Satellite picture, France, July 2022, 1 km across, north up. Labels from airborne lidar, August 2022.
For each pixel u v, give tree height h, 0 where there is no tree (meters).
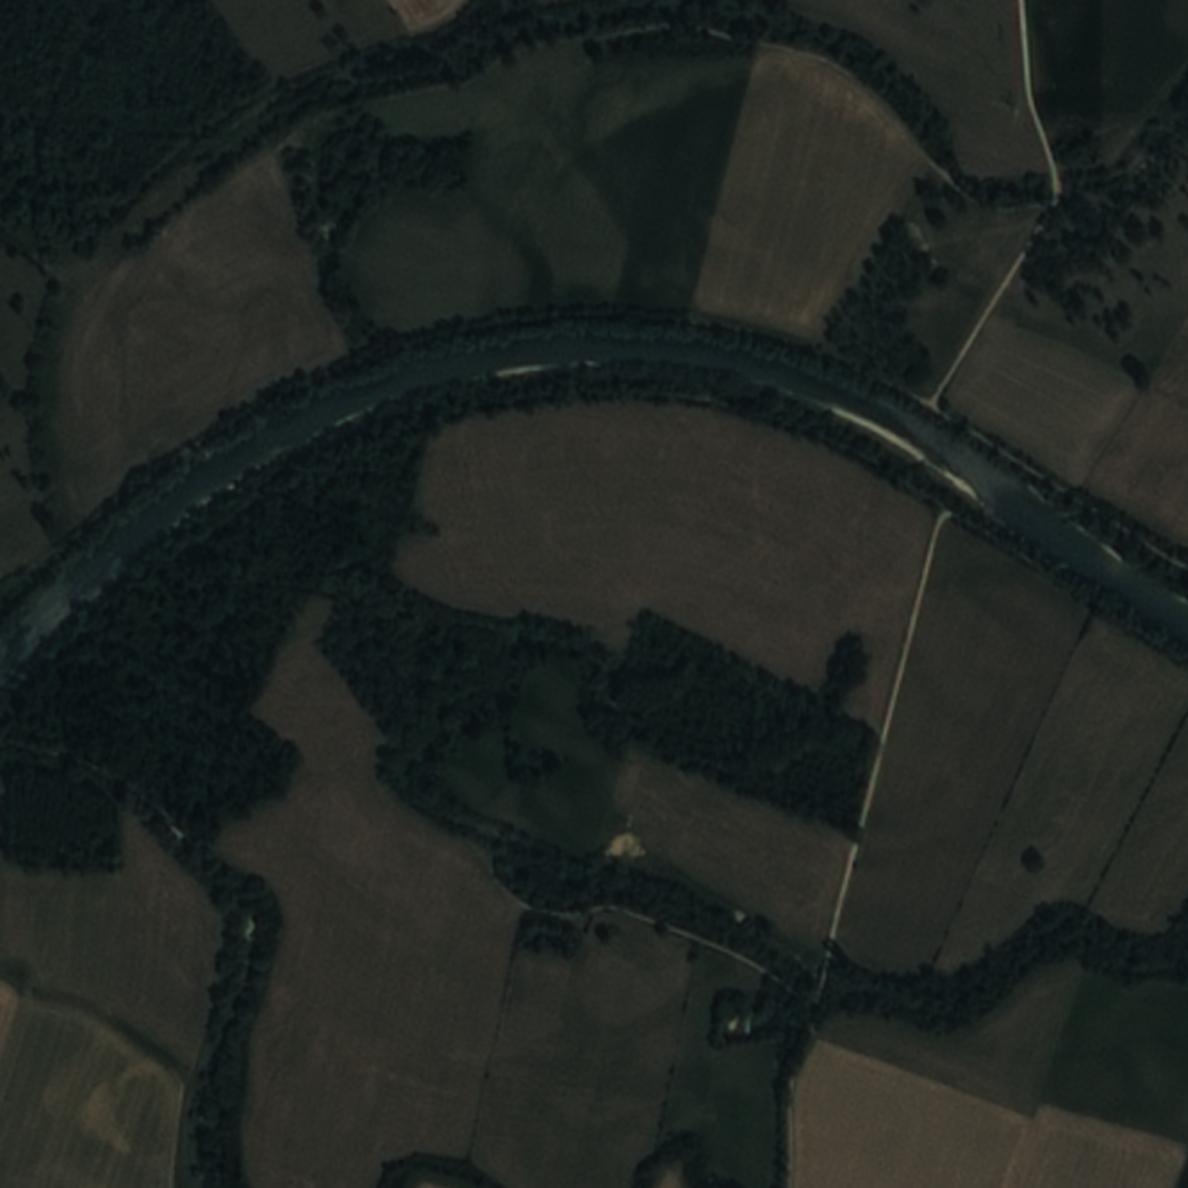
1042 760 0
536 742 0
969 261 0
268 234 0
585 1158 0
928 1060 0
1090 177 7
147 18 18
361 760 0
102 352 0
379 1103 0
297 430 0
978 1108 0
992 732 0
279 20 0
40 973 0
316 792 0
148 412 0
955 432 18
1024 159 0
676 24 27
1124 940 15
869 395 14
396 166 16
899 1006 7
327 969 0
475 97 0
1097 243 21
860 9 0
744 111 0
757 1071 0
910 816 0
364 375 19
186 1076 0
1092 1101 0
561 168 0
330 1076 0
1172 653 16
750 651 0
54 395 0
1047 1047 0
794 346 12
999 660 0
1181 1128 0
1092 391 0
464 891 0
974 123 0
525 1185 0
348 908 0
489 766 0
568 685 0
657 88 0
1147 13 0
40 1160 0
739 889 0
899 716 0
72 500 0
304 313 0
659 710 12
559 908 7
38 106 6
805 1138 0
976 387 0
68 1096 0
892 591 0
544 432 0
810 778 6
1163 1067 0
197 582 16
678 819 0
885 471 10
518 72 0
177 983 0
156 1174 0
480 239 0
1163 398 0
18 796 23
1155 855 0
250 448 0
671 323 15
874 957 0
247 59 8
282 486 13
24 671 16
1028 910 0
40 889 0
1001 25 0
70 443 0
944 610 0
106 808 21
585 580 0
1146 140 7
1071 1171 0
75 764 20
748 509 0
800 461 0
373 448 21
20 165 16
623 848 0
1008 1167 0
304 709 0
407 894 0
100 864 13
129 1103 0
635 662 8
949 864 0
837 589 0
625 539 0
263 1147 0
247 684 30
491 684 6
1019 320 0
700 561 0
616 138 0
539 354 0
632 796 0
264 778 27
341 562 19
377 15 0
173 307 0
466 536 0
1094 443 0
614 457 0
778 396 17
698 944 10
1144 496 0
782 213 0
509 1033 0
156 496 11
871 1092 0
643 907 14
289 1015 0
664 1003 0
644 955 0
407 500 20
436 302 0
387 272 0
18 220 16
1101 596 20
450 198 0
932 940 0
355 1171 0
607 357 0
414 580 0
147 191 10
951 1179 0
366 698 19
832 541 0
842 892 0
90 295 0
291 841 0
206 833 26
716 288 0
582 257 0
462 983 0
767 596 0
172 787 9
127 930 0
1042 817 0
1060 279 16
